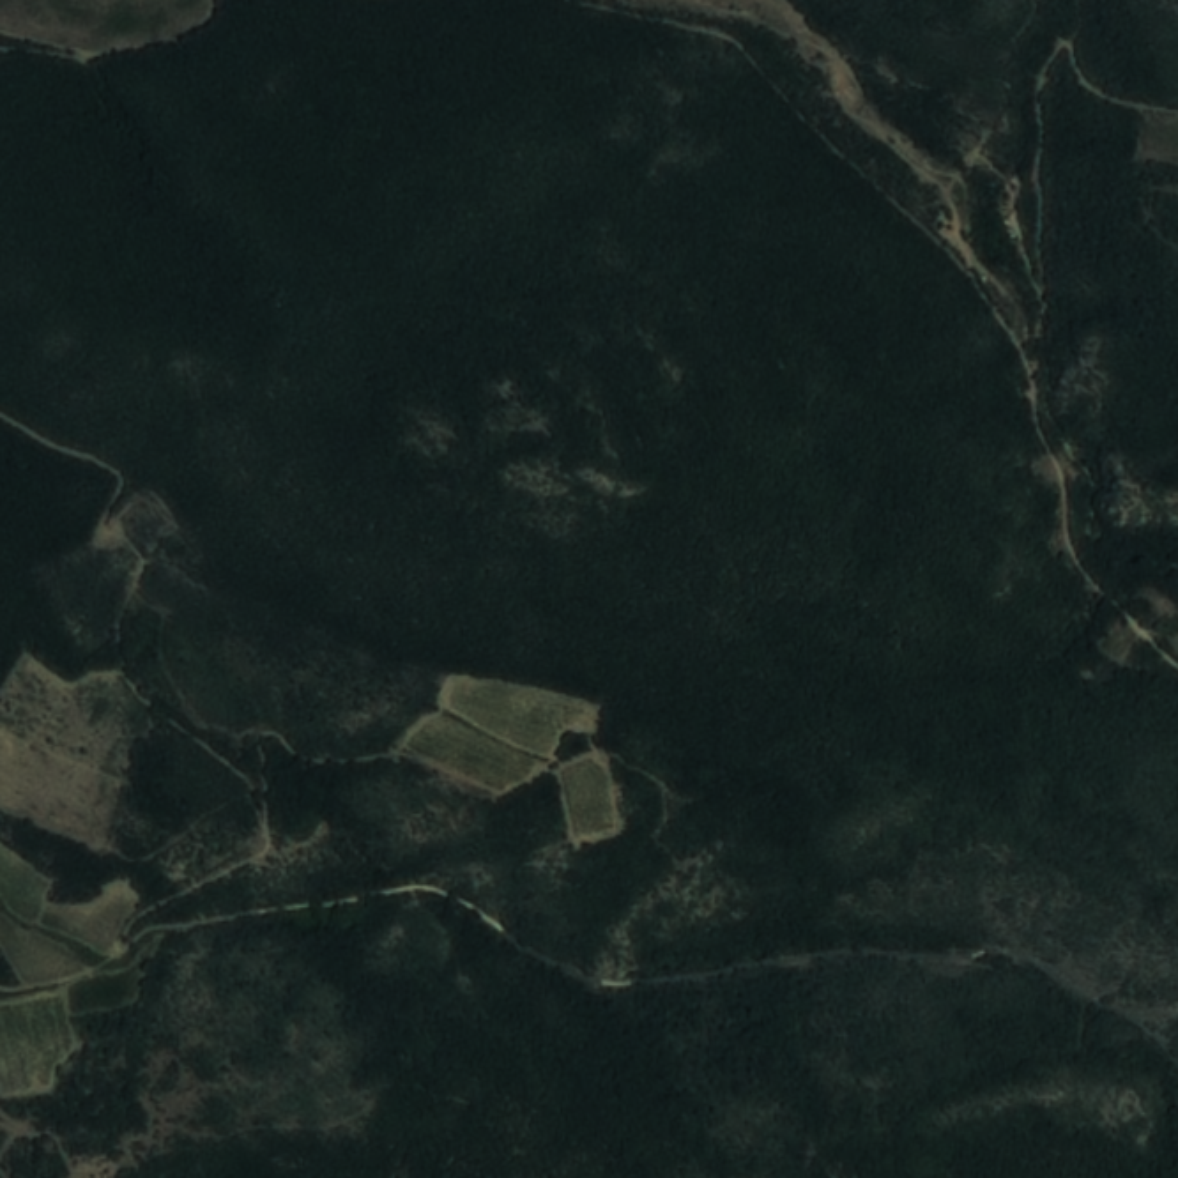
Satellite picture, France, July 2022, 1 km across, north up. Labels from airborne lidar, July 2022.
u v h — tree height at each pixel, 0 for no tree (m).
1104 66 6
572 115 7
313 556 6
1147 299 7
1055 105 5
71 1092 8
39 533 7
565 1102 9
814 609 10
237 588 6
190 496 6
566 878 7
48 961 0
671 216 8
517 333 7
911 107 6
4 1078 0
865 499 8
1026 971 6
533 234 6
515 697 0
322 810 8
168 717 6
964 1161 8
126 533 0
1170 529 7
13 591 6
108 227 12
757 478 10
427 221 5
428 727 0
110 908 0
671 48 6
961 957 0
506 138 6
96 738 0
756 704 9
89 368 5
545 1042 10
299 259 5
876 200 12
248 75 8
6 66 6
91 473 8
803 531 10
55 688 0
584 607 7
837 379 5
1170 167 6
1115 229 6
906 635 6
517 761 0
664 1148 6
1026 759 6
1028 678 16
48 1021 0
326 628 6
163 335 6
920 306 7
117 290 8
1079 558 7
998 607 10
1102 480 6
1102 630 13
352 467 7
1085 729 9
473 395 6
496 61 9
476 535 6
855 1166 6
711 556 8
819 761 9
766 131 8
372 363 7
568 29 6
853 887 7
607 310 7
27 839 6
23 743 0
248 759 8
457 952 7
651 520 7
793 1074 8
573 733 9
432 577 7
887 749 8
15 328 5
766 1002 8
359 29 9
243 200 6
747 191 9
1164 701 7
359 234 8
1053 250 6
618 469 6
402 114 12
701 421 8
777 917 9
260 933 5
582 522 7
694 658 7
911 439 10
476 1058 6
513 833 6
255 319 8
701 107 6
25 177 8
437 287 7
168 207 13
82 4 0
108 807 0
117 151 11
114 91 9
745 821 7
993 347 6
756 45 7
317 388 6
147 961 10
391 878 7
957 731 12
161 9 0
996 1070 7
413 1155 8
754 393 8
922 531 9
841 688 17
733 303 8
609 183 7
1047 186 6
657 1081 11
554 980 10
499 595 6
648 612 8
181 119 6
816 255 7
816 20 7
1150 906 6
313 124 9
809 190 11
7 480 9
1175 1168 14
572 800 0
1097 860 6
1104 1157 10
